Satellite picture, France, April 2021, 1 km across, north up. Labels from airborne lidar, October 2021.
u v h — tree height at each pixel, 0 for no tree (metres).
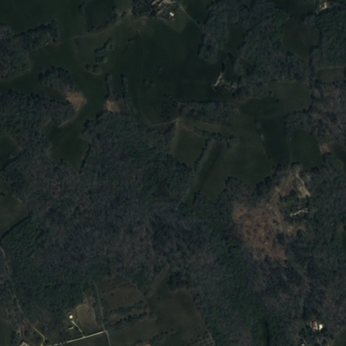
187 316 0
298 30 0
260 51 19
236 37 0
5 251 17
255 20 19
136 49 0
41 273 17
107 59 12
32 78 0
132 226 14
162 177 23
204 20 0
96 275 21
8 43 20
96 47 0
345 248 0
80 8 9
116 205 21
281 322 21
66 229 21
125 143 19
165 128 0
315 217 18
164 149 19
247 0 0
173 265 18
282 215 20
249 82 13
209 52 24
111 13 0
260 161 0
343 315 15
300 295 17
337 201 13
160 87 0
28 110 18
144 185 19
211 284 16
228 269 24
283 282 26
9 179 20
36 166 15
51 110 23
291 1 0
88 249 23
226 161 0
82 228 20
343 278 22
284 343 21
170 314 0
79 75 0
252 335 18
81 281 20
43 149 19
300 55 0
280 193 0
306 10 0
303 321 16
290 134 16
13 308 19
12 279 18
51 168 13
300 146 0
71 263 15
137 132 18
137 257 17
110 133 19
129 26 0
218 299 17
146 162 24
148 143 18
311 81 16
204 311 17
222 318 16
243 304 25
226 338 17
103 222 20
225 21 25
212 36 21
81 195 6
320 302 9
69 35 0
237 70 22
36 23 0
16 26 0
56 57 0
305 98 0
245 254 21
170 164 27
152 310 0
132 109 0
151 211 16
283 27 12
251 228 0
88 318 0
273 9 28
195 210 0
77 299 18
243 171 0
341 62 17
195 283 12
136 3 9
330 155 17
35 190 21
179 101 9
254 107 0
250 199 14
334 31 25
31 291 18
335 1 8
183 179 24
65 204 18
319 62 20
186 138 0
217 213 12
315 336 26
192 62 0
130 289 0
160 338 14
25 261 21
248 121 0
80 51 0
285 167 11
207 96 0
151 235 25
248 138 0
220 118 16
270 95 10
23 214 0
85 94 0
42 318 19
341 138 19
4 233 0
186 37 0
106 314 11
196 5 0
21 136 23
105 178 23
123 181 22
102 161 16
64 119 16
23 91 0
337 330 16
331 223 16
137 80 0
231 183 15
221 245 24
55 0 0
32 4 0
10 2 0
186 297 0
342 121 12
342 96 15
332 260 21
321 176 22
